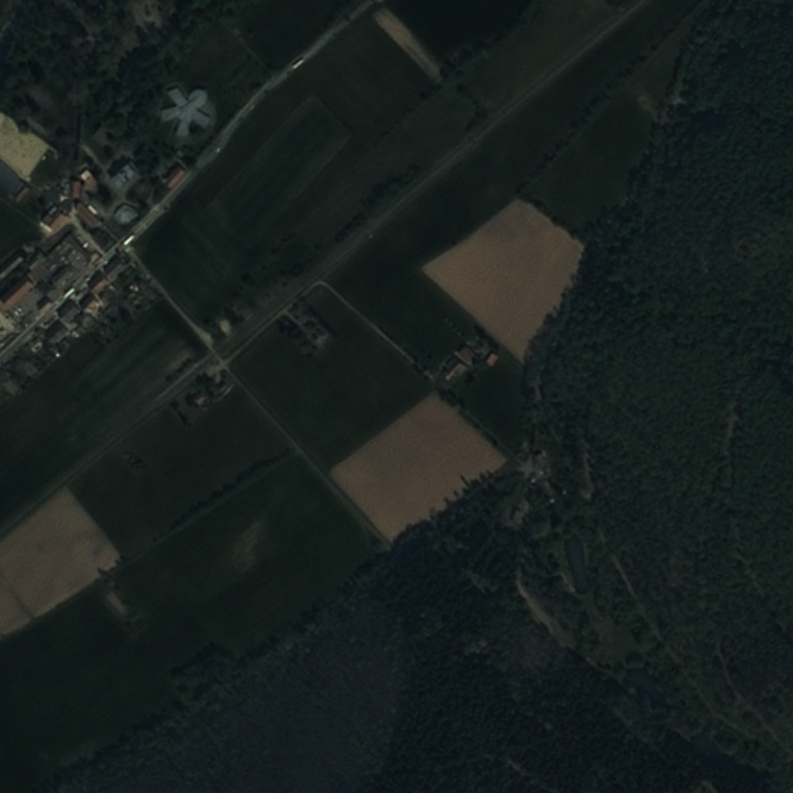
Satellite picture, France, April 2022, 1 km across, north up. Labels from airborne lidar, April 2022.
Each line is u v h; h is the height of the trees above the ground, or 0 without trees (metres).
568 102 0
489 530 10
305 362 0
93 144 0
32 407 0
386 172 0
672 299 22
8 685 0
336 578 0
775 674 12
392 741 16
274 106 0
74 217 0
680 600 21
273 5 0
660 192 19
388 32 0
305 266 0
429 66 0
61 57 21
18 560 0
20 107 23
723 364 19
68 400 0
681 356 21
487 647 23
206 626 0
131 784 20
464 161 0
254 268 0
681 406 16
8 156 0
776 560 13
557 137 0
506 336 0
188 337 0
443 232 0
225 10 19
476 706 28
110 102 23
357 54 0
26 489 0
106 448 0
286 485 0
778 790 21
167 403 0
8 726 0
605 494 18
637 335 23
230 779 23
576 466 7
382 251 0
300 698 19
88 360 0
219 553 0
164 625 0
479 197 0
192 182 0
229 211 0
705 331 25
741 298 23
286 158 0
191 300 0
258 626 0
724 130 15
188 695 19
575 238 9
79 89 33
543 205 10
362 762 16
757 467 14
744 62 15
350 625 18
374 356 0
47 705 0
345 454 0
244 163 0
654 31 0
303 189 0
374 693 17
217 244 0
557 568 21
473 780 28
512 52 0
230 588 0
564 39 0
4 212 0
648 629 20
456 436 0
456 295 0
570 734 26
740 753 14
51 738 0
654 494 17
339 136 0
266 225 0
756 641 15
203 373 0
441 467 0
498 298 0
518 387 0
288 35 0
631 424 21
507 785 26
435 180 0
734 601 15
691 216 17
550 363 14
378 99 0
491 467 0
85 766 9
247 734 26
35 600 0
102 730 0
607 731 29
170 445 0
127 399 0
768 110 21
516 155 0
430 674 26
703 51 24
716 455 14
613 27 0
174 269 0
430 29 0
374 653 16
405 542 13
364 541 0
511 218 0
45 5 36
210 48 0
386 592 22
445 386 10
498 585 12
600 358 18
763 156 17
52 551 0
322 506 0
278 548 0
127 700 0
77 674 0
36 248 0
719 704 11
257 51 0
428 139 0
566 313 14
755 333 18
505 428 0
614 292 27
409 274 0
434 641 25
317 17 0
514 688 28
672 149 14
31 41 31
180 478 0
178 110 0
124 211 0
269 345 0
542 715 27
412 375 0
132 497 0
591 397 18
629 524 20
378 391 0
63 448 0
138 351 0
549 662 25
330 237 0
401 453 0
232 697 24
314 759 17
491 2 0
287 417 0
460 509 12
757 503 15
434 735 29
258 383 0
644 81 0
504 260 0
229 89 0
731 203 12
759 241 8
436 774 26
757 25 21
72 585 0
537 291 0
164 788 21
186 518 9
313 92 0
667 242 18
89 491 0
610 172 0
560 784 25
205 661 18
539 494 10
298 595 0
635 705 18
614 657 0
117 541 0
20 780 0
